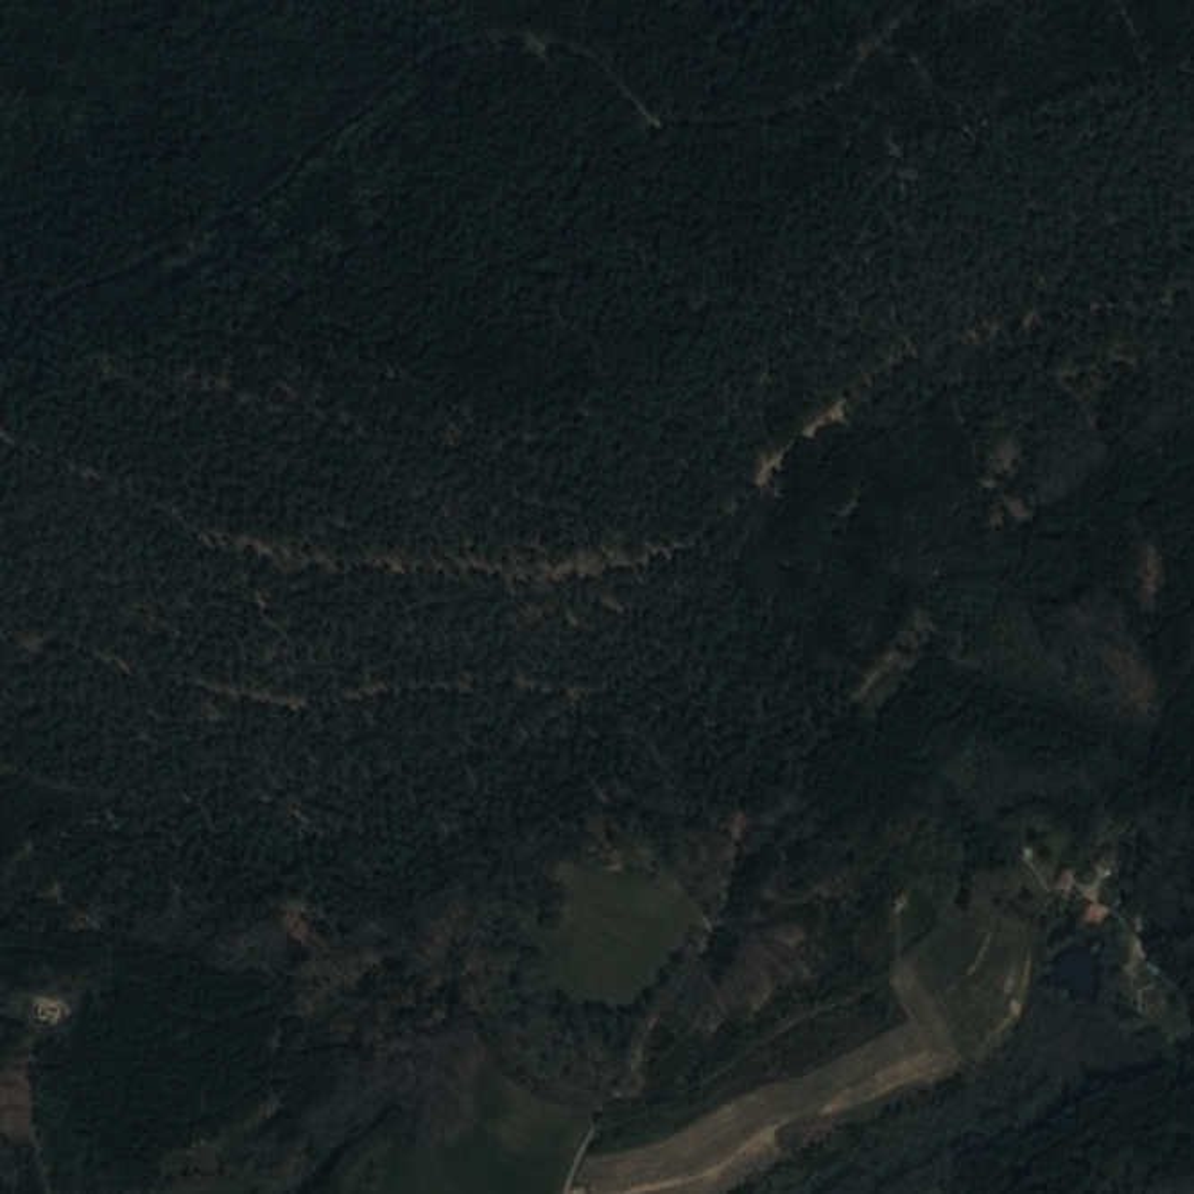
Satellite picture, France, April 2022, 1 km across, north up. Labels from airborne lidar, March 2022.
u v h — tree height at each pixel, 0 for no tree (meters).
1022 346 33
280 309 16
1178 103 9
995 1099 19
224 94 13
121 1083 13
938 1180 26
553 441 23
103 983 15
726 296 15
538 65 21
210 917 23
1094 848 19
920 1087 0
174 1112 11
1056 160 20
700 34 23
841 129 13
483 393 16
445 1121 30
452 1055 34
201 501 9
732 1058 8
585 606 16
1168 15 16
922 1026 0
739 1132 0
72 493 23
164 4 8
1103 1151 28
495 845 29
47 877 8
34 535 19
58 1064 9
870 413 26
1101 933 14
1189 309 26
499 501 19
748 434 25
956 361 26
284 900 25
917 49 10
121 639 26
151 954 10
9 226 16
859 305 26
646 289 24
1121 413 10
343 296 20
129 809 21
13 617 22
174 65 13
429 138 15
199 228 17
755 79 17
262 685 22
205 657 25
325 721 12
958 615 8
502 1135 0
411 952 34
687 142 19
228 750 20
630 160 19
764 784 24
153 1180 10
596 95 22
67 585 22
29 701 23
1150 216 17
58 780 23
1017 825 18
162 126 17
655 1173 0
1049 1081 12
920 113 13
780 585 16
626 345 19
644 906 0
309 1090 24
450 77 15
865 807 9
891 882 15
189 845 24
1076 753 16
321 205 15
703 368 24
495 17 15
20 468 24
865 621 18
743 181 19
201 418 15
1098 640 29
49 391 19
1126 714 13
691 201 20
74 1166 14
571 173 19
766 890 22
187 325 11
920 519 15
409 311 19
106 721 21
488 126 18
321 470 21
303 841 18
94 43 12
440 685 24
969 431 14
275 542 22
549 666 20
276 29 13
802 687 19
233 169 14
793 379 11
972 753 18
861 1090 0
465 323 21
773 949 25
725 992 24
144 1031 9
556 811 24
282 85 10
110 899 10
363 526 21
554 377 20
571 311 23
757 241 20
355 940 27
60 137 16
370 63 12
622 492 25
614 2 18
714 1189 0
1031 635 17
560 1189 0
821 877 26
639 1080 22
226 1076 8
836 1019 7
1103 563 27
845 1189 26
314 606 11
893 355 29
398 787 22
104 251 16
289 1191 18
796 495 18
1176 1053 13
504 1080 0
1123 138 22
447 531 19
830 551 17
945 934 0
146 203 15
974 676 10
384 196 13
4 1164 25
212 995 13
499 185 18
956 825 7
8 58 14
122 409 22
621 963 0
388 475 21
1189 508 18
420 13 11
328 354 15
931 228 25
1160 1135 25
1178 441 15
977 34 8
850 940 10
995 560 18
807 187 14
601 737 24
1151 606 28
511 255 16
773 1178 9
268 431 8
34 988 13
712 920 13
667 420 27
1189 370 19
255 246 16
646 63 23
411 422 21
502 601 20
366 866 26
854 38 9
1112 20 12
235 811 27
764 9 23
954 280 21
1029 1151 26
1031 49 13
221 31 12
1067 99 10
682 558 17
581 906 0
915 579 13
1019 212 23
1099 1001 9
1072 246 30
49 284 12
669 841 21
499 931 22
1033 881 0
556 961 0
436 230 18
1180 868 10
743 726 15
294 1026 11
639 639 22
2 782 9
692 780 23
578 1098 0
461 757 21
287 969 25
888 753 21
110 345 12
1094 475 25
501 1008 15
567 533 9
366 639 25
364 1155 23
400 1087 31
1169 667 18
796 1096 0
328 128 17
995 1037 0
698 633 18
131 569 20
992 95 11
